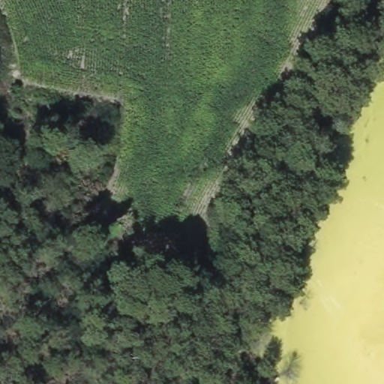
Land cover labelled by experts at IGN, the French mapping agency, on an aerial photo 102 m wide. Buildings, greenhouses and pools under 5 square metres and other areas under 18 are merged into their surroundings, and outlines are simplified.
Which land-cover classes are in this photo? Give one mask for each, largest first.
<instances>
[{"label":"coniferous trees","instance_id":"1","mask_svg":"<svg viewBox=\"0 0 384 384\"><path fill-rule=\"evenodd\" d=\"M339 1L340 4V12L334 19V36L316 34L315 39L306 42L304 49L312 57L307 60L298 58L292 69L285 70L276 82L268 85L259 94L253 108L255 118L249 127H246L243 135H238L240 139L237 145L226 151L223 156V166L229 168L228 177L225 183H220L219 192L210 198L207 217L204 219L208 225V243L213 249L211 252L195 253L189 249H165L162 250V255H153L145 252L142 247H133L135 255L126 262H121L117 256L121 235L112 238L109 231L106 234H99L96 226L82 223L81 219L88 216L85 205L97 193L108 190V180L114 172L117 156L109 153L105 145H97L93 139L82 141L78 136V129L70 124H66V133L42 126V133L27 139V156L21 157L18 160L21 168L15 172L12 183L7 187L0 186V384H277L276 363L280 358V340L274 337L261 357L252 354V349L258 346L259 336L270 330L274 319H285L291 315L292 301L304 292L306 280L312 274L310 255L313 249L310 247V241L315 240L319 220L327 219L330 204L342 201V196L337 193L339 189L348 184L346 168L352 159V124L360 117L361 108L369 105L370 93L375 85L384 81V0H333Z\"/></svg>","mask_w":384,"mask_h":384},{"label":"agricultural land","instance_id":"2","mask_svg":"<svg viewBox=\"0 0 384 384\"><path fill-rule=\"evenodd\" d=\"M0 9L6 16L7 27L12 37L13 60L9 64V69L13 78L19 79L24 85L48 88L66 96H88L99 102L109 100L120 103V132H114L111 142L105 145L109 153L117 156L114 172L108 180V190L97 193L85 205L88 216L81 219L82 223L96 226L99 234H106L109 231L112 238L121 235L117 256L121 262H126L135 255L133 247H142L145 252L153 255H162V250L165 249H189L195 253L211 252L213 249L208 243V225L204 219L207 217L210 198L219 192L220 183H225L228 177L229 168L223 166V156L226 151L237 145L240 139L238 135H243L246 127H249L255 118L253 108L259 94L268 85L276 82L285 70L292 69L298 58L307 60L312 57L304 49L306 42L315 39L316 34L334 36V19L340 12V4L339 1L333 0H0Z\"/></svg>","mask_w":384,"mask_h":384},{"label":"water","instance_id":"3","mask_svg":"<svg viewBox=\"0 0 384 384\"><path fill-rule=\"evenodd\" d=\"M352 159L346 168L348 184L339 189L337 193L342 196V201L330 204L327 219L319 220L315 240L310 241V247L313 249L310 255L312 274L306 280L304 292L292 301L291 315L285 319H274L270 330L259 336L258 346L252 349V354L261 357L274 337L280 340V358L276 363L277 384H384V81L375 85L370 93L369 105L361 108L360 117L352 124Z\"/></svg>","mask_w":384,"mask_h":384},{"label":"herbaceous vegetation","instance_id":"4","mask_svg":"<svg viewBox=\"0 0 384 384\"><path fill-rule=\"evenodd\" d=\"M13 60L12 37L7 27L6 16L0 9V136L18 141L21 157L27 156V139L42 133V126L66 133V124H70L78 129V136L82 141L93 139L97 145H105L111 142L114 132H120V103L109 100L99 102L88 96H66L48 88L24 85L19 79L13 78L9 69V64Z\"/></svg>","mask_w":384,"mask_h":384},{"label":"deciduous trees","instance_id":"5","mask_svg":"<svg viewBox=\"0 0 384 384\"><path fill-rule=\"evenodd\" d=\"M21 157L18 141L0 136V186L7 187L12 183L15 172L21 168L18 160Z\"/></svg>","mask_w":384,"mask_h":384}]
</instances>
